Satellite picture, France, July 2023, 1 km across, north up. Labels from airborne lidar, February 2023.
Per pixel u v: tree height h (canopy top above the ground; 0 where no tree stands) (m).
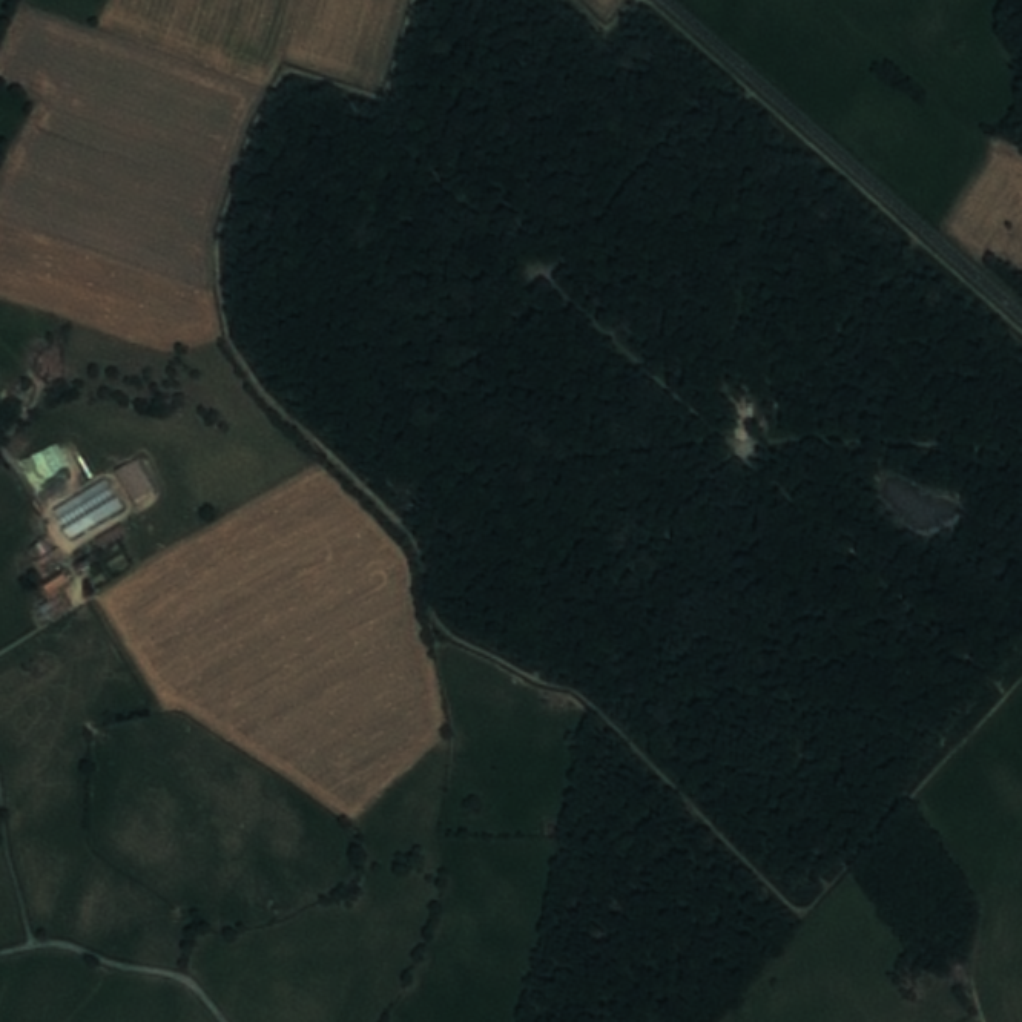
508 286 22
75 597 0
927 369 19
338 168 26
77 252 0
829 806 20
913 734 23
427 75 27
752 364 24
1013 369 23
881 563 22
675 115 19
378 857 0
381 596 0
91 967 14
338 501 0
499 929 0
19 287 0
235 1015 0
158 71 0
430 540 20
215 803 0
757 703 23
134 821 0
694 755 20
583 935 18
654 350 21
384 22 0
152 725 0
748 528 23
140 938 0
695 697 6
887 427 23
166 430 0
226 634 0
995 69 0
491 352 24
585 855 18
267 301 20
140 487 0
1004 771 0
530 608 24
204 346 0
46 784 0
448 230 26
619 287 20
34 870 0
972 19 0
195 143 0
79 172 0
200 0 0
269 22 0
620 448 16
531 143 23
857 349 19
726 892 20
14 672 0
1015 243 0
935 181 0
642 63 21
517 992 0
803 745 18
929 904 20
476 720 0
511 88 20
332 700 0
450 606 18
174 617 0
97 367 10
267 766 0
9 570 0
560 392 14
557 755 0
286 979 0
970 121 0
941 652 21
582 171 21
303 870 0
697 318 21
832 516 23
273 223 20
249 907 0
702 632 24
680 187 23
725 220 24
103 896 0
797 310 23
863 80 0
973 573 26
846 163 0
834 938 0
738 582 23
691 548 23
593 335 23
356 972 0
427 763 0
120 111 0
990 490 21
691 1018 23
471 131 24
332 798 0
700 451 19
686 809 22
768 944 19
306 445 12
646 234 27
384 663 0
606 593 22
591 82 25
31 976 0
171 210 0
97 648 0
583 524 23
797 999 0
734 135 21
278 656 0
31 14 0
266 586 0
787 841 20
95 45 0
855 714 22
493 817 0
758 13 0
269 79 0
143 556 0
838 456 22
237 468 0
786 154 16
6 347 0
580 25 22
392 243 23
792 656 21
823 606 22
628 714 18
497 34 6
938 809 0
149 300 0
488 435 22
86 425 0
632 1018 20
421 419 26
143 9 0
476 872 0
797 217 24
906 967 11
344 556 0
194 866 0
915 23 0
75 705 0
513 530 24
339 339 24
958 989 10
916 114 0
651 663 20
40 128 0
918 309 22
